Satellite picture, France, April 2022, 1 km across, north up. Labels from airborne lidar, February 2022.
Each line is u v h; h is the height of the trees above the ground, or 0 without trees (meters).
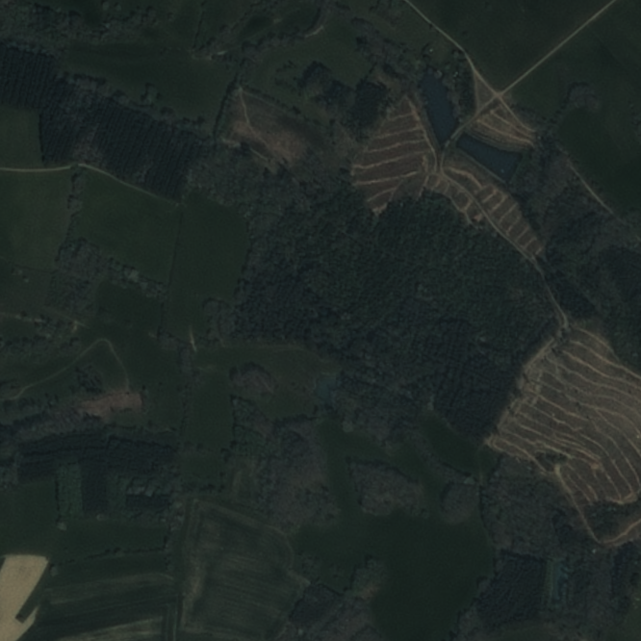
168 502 14
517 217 0
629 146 0
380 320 12
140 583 0
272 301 26
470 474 0
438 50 0
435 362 18
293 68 6
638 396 0
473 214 0
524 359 24
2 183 0
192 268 0
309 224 19
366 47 22
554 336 18
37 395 0
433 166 0
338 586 0
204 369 0
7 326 0
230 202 16
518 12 0
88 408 0
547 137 9
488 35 0
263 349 0
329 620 19
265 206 19
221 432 0
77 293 26
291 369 0
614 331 7
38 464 16
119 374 0
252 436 16
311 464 32
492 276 13
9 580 0
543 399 0
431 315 20
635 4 0
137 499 16
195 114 0
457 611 0
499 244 9
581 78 0
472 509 26
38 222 0
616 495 0
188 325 0
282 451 15
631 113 0
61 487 13
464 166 0
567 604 23
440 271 8
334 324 35
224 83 0
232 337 21
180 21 0
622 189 0
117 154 18
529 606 21
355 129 17
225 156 24
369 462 0
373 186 0
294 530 21
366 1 0
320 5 17
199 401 0
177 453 17
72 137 19
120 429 17
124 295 0
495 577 0
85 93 18
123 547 0
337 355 28
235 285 0
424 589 0
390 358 32
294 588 0
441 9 0
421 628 0
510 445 0
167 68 0
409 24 0
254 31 0
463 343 24
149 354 0
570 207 21
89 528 0
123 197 0
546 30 0
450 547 0
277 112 0
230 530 0
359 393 24
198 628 0
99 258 20
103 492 19
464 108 11
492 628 25
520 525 23
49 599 0
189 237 0
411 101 0
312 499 21
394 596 0
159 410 0
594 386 0
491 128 0
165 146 18
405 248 8
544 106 0
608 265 15
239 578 0
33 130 0
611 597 21
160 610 0
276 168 0
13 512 0
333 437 0
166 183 18
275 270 26
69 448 11
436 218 8
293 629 9
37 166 0
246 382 25
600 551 24
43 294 0
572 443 0
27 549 0
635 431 0
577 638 0
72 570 0
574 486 0
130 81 0
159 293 12
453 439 0
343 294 8
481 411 21
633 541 0
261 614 0
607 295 6
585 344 0
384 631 0
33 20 17
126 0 0
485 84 0
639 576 17
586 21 0
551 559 22
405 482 31
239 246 0
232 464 19
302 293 23
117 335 0
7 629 0
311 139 0
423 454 20
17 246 0
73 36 20
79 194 11
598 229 25
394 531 0
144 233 0
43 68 22
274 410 0
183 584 0
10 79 20
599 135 0
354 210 8
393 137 0
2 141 0
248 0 0
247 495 0
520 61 0
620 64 0
